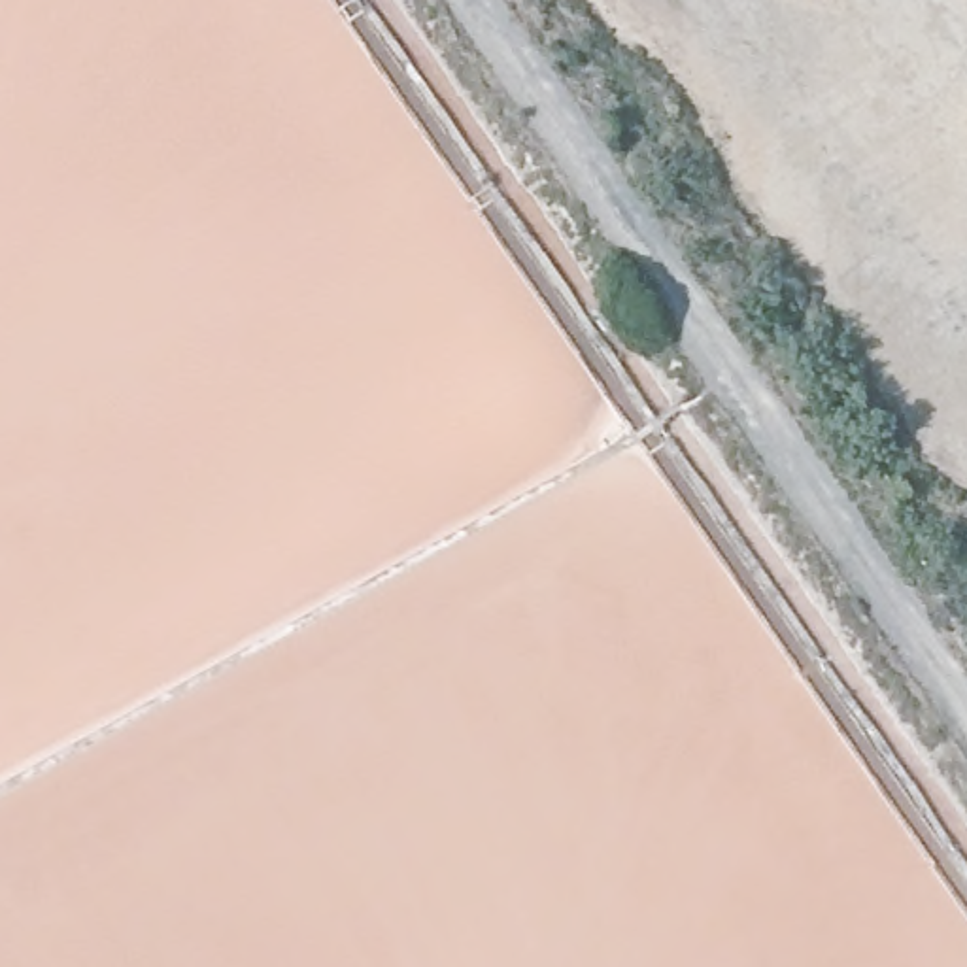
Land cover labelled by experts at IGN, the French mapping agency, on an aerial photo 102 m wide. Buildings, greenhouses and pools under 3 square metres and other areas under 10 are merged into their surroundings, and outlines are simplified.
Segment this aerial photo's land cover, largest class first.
<instances>
[{"label":"water","instance_id":"1","mask_svg":"<svg viewBox=\"0 0 967 967\"><path fill-rule=\"evenodd\" d=\"M612 404L578 359V351L570 348V340L563 336V329L555 325V317L548 314V306L536 298L529 280L517 272L510 253L491 234L476 200L457 185L450 166L438 159L423 128L416 125V117L389 87V79L378 72L366 45L355 38L348 8L340 0H0V771L60 740L64 733L125 706L140 691L159 687L166 676L185 672L189 665L219 653L223 646L249 638L253 631H264L298 604L344 585L348 578L431 540L442 525H453L461 514H476L484 502L506 495L521 480L555 465L601 419V408ZM680 434L687 438L695 457L714 472L721 491L733 499L740 521L759 540L778 574L789 582V589L808 604V616L820 627L827 650L839 653L854 684L873 699L895 740L925 771L937 797L956 812L959 827L967 831V801L948 786L929 748L903 721L891 695L876 684L861 653V642L850 638L839 612L808 578L805 563H797L789 548L778 540L774 517L759 510L744 480L729 468L725 453L710 442L695 416L680 419ZM0 967H967V910L937 876L918 839L888 805L857 752L846 744L816 691L786 657L763 616L752 608L737 578L729 574V567L718 559L703 529L684 510V502L672 495V487L650 499V487L631 476L604 484L567 480L544 499H533L529 506L514 510L510 517L465 536L457 548L419 563L412 574H400L397 582L329 612L314 627L295 631L291 638L261 650L257 657L219 669L208 684L193 691H178L170 703L144 714L140 721L106 733L94 748L68 755L45 774H34L23 789L0 793Z\"/></svg>","mask_w":967,"mask_h":967},{"label":"pervious surface","instance_id":"2","mask_svg":"<svg viewBox=\"0 0 967 967\"><path fill-rule=\"evenodd\" d=\"M348 8L355 38L366 45L378 72L389 79V87L416 117V125L423 128L438 159L450 166L457 185L476 200L491 234L510 253L517 272L529 280L536 298L548 306V314L555 317V325L563 329V336L570 340V348L578 351V359L612 404L601 408V419L555 465L521 480L506 495L484 502L476 514H461L453 525H442L431 540L348 578L344 585L298 604L264 631H253L249 638L223 646L219 653L189 665L185 672L166 676L159 687L140 691L125 706L64 733L60 740L0 771V793L23 789L34 774H45L68 755L94 748L106 733L140 721L144 714L170 703L178 691H193L208 684L219 669L257 657L261 650L291 638L295 631L314 627L329 612L397 582L400 574H412L419 563L457 548L465 536L510 517L514 510L529 506L533 499H544L567 480L604 484L631 476L650 487V499L672 487V495L684 502V510L703 529L718 559L729 567V574L737 578L752 608L763 616L786 657L816 691L846 744L857 752L888 805L918 839L937 876L967 910V831L959 827L956 812L937 797L925 771L895 740L873 699L854 684L839 653L827 650L820 627L808 616V604L789 589V582L778 574L759 540L740 521L733 499L721 491L714 472L695 457L687 438L680 434V419L695 416L703 400L714 397V389L703 382L695 397H687L676 378L661 374L653 359L638 355L612 332L597 298V268L585 257H578V219L567 208L548 204L540 196V170H555L559 159L533 121L536 106L514 102L502 83H495L491 60L457 19L461 0H340ZM597 11L616 30V38L627 45H642L684 83L699 110L703 132L714 140L733 174L740 200L763 219L771 234L786 238L812 268H820L831 306L850 314L861 325V332L873 336V359L884 366L888 378H895L903 397L925 400L933 408L929 423L918 431L922 453L937 472L967 487V0H601ZM948 786L967 801V733L956 725L948 740L929 748Z\"/></svg>","mask_w":967,"mask_h":967},{"label":"brushwood","instance_id":"3","mask_svg":"<svg viewBox=\"0 0 967 967\"><path fill-rule=\"evenodd\" d=\"M514 23L529 34V42L540 53H551L555 72L567 94L574 98L578 113L597 128L604 121L612 125L608 147L616 151L619 178L650 204L653 219H661V234L672 246H680L691 276L710 295L714 314L752 351V359L771 348L808 355L812 378L801 389L805 408L797 416L805 442L835 476L842 468H854L857 476H891L910 484V495L895 506L907 548L891 559L899 578L918 593L941 589L944 608L959 616L967 631V487L937 472L922 453L918 431L929 423L933 408L925 400L903 397L895 378H888L884 366L873 359V336L861 332V325L850 314L831 306L820 268H812L786 238L771 234L763 219L740 200L733 174L714 140L703 132L699 110L684 83L642 45H627L616 38V30L597 11L601 0H506ZM619 246L597 268V298L612 332L638 355L653 359L680 344L665 332L653 295L623 264Z\"/></svg>","mask_w":967,"mask_h":967},{"label":"impervious surface","instance_id":"4","mask_svg":"<svg viewBox=\"0 0 967 967\"><path fill-rule=\"evenodd\" d=\"M457 19L491 60L495 83H502L514 102L536 106L533 121L559 159L555 170L559 185L574 189L589 204L601 234L619 246L623 264L653 295L665 332L680 344L687 348L703 382L714 389V397L729 400L740 412L752 446L763 453L789 506L816 529L823 548L854 574L861 593L873 601L880 627L899 642L907 669L922 676L937 699L948 703L956 725L967 733V672L948 653L944 635L929 623L918 593L899 578L891 559L873 540L846 491L835 484V476L805 442L797 416L782 408L767 378L752 366V351L714 314L710 295L691 276L680 246H672L661 234V219H653L650 204L619 178L616 151L608 147L612 125L604 121L597 128L578 113L574 98L567 94L555 72L551 53H540L529 42V34L514 23L506 0H461Z\"/></svg>","mask_w":967,"mask_h":967},{"label":"herbaceous vegetation","instance_id":"5","mask_svg":"<svg viewBox=\"0 0 967 967\"><path fill-rule=\"evenodd\" d=\"M540 196L548 204L567 208L578 219V257H585L597 268L619 246L601 234L589 204L574 189L559 185L555 170H540ZM661 374L676 378L687 397H695L703 382L687 348L680 344L653 359ZM752 366L767 378L782 408L797 416L805 408L801 389L812 378L808 355L771 348L752 359ZM710 442L725 453L729 468L744 480L759 510L774 517L778 540L789 548L797 563H805L808 578L839 612L850 638L861 642V653L876 684L891 695L903 721L929 748L948 740L956 725L948 703L937 699L922 676L907 669L899 642L880 627L873 601L861 593L854 574L823 548L816 529L789 506L763 453L752 446L740 412L729 400L714 397L703 400L695 416ZM835 484L846 491L873 540L891 559L907 548L895 506L910 495V484L891 476H857L854 468H842L835 476ZM929 623L944 635L948 653L967 672V631L959 616L944 608L941 589L918 593Z\"/></svg>","mask_w":967,"mask_h":967}]
</instances>
